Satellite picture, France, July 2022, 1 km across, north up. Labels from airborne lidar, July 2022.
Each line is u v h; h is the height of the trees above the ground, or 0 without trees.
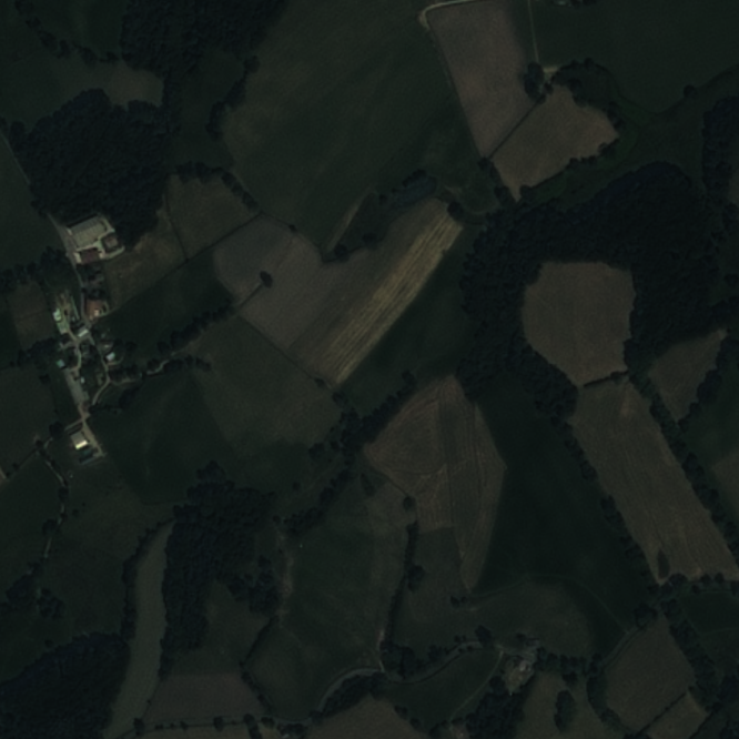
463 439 0
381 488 0
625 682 0
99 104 19
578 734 0
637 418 0
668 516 0
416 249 0
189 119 0
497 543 0
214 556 22
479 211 0
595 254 18
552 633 0
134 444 0
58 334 6
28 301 0
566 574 0
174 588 24
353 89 0
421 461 0
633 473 0
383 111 0
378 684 21
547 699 0
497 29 0
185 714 0
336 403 17
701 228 28
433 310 0
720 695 8
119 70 0
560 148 0
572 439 13
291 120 0
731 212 28
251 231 0
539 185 6
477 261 18
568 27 0
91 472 0
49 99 0
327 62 0
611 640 0
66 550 0
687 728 0
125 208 31
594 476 19
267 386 0
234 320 0
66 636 0
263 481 0
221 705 0
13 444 0
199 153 0
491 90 0
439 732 9
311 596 0
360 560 0
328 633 0
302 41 0
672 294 27
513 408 0
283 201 0
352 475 8
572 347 0
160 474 0
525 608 0
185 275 0
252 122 0
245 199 13
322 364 0
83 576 0
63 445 0
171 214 0
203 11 23
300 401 0
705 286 24
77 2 0
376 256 0
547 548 0
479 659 0
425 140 0
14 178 0
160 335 0
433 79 0
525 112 0
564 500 0
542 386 23
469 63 0
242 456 0
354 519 0
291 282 0
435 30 0
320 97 0
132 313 0
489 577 0
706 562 0
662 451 0
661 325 26
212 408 0
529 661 0
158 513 0
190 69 26
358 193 0
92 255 0
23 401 0
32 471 0
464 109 0
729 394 0
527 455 0
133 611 16
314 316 0
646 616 19
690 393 0
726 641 0
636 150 0
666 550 0
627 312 0
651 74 0
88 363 6
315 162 0
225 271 0
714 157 21
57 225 0
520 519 0
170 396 0
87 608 0
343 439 14
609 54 0
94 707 22
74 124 24
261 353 0
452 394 0
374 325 0
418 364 0
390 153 0
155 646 0
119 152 9
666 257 29
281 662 0
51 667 32
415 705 0
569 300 0
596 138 0
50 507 0
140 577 0
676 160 0
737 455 0
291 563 0
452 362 0
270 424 0
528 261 18
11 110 0
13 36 0
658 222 28
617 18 0
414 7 0
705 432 0
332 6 0
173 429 0
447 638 0
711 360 0
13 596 21
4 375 0
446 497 0
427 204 0
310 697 0
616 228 23
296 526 13
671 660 0
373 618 0
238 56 23
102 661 32
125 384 0
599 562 0
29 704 32
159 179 26
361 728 0
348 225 0
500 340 9
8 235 0
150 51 22
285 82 0
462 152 0
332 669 0
